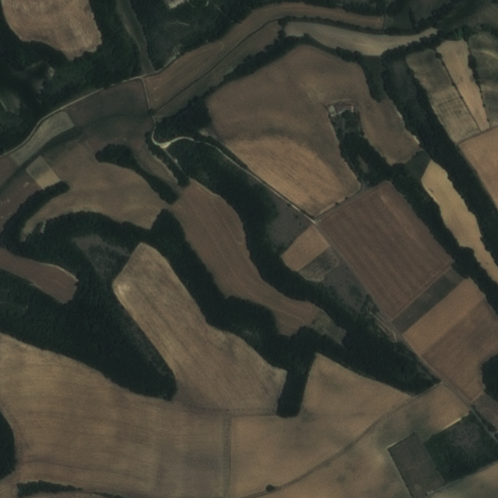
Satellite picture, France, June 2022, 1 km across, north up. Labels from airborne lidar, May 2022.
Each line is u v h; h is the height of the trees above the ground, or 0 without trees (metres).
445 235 16
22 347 0
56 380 0
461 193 13
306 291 15
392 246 0
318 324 0
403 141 0
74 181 0
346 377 0
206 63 0
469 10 0
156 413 0
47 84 13
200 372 0
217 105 0
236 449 0
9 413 0
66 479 0
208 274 18
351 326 15
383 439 0
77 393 0
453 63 0
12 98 0
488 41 0
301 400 14
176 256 9
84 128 0
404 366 18
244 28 0
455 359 0
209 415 0
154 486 0
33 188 0
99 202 0
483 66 0
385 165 17
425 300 0
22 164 0
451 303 0
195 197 0
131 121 0
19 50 13
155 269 0
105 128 0
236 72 15
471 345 0
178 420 0
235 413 0
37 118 0
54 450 0
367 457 0
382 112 0
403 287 0
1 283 9
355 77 0
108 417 0
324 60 0
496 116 0
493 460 8
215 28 6
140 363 15
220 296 17
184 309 0
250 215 17
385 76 19
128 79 16
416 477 0
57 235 13
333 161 0
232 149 0
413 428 0
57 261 8
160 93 0
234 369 0
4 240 24
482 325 0
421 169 0
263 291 0
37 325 10
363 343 21
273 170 0
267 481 0
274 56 6
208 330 0
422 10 0
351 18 0
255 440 0
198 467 0
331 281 0
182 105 0
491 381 12
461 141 0
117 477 0
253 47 0
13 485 0
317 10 0
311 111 0
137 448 0
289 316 0
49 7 0
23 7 0
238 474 0
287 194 0
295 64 0
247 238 11
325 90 0
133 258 0
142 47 0
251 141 0
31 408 0
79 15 0
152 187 15
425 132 17
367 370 12
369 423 0
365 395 0
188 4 7
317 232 0
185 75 0
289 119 0
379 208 0
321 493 0
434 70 0
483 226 15
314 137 0
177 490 0
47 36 0
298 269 0
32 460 0
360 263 0
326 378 0
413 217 0
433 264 0
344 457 0
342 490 0
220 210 0
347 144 14
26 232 0
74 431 0
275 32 0
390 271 0
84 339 21
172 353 0
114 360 18
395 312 0
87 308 13
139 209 0
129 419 0
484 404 0
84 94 0
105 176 0
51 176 0
